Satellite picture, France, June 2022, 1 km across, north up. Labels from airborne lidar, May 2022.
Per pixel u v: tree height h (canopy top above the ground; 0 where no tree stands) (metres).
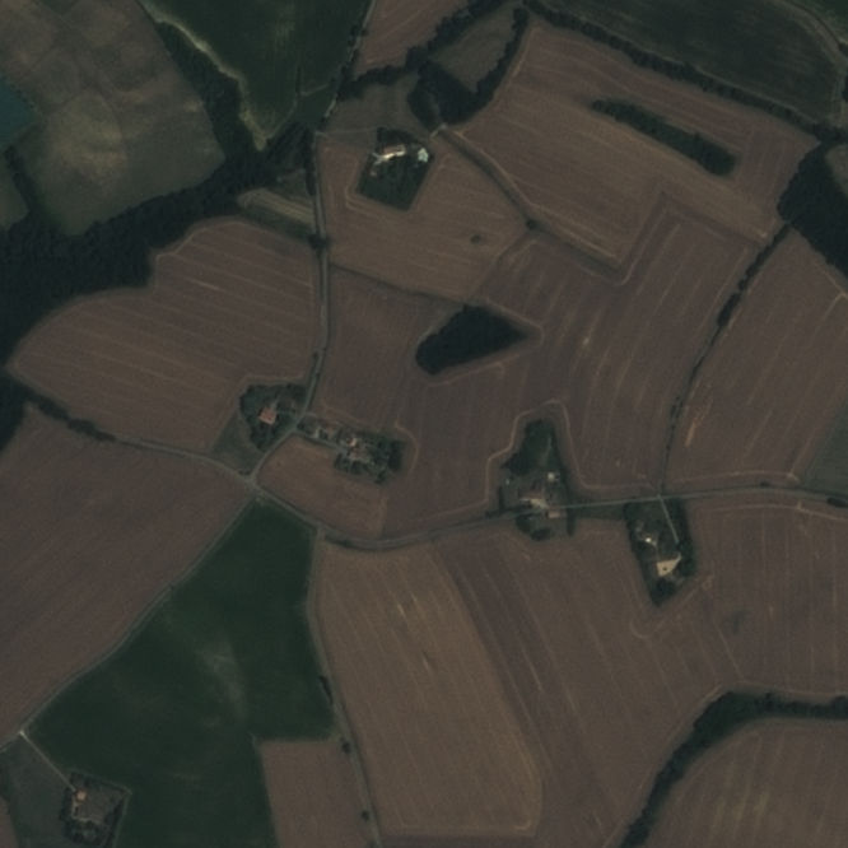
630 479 0
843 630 0
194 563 0
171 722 0
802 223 18
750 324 0
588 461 0
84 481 0
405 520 0
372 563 0
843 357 0
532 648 0
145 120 0
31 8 0
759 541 0
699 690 0
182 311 0
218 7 0
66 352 0
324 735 0
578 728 0
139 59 0
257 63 0
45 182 0
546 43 0
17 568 0
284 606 0
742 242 0
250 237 0
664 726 0
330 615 0
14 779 0
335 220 0
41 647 0
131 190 0
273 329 0
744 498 0
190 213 22
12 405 16
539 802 0
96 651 0
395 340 0
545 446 0
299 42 0
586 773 0
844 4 0
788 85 0
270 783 0
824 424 0
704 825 0
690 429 0
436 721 0
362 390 0
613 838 0
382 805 0
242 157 13
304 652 0
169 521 0
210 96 12
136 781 0
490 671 0
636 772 0
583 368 0
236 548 0
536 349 0
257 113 0
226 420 0
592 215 0
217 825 0
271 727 0
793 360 0
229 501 0
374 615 0
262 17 0
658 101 0
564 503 0
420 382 0
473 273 0
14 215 0
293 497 0
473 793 0
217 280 0
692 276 0
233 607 0
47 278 23
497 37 0
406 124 0
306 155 13
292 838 0
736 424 0
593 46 0
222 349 0
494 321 13
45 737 0
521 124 0
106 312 0
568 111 0
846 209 19
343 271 0
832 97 0
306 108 0
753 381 0
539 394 0
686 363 0
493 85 15
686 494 0
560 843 0
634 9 0
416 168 7
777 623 0
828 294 0
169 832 0
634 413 0
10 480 0
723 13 0
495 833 0
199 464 0
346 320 0
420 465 0
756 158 0
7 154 12
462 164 0
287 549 0
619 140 0
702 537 0
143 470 0
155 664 0
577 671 0
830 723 0
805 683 0
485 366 0
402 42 0
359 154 0
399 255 0
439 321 0
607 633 0
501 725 0
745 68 0
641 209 0
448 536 0
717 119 0
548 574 0
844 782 0
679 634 0
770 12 0
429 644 0
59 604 0
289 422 10
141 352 0
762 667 0
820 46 0
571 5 0
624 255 0
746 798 0
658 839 0
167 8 0
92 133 0
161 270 0
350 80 12
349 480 0
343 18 0
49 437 0
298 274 0
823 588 0
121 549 0
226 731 0
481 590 0
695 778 0
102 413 0
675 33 0
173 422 0
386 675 0
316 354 6
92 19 0
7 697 0
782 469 0
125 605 0
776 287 0
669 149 0
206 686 0
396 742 0
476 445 0
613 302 0
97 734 0
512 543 0
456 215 0
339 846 0
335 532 0
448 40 18
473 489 0
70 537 0
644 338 0
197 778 0
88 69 0
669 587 17
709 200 0
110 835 6
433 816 0
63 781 0
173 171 0
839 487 0
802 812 0
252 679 0
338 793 0
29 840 0
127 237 26
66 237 10
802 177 17
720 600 0
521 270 0
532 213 0
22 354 0
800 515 0
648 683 0
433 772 0
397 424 0
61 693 0
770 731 0
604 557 0
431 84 19
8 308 22
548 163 0
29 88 0
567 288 0
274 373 0
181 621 0
